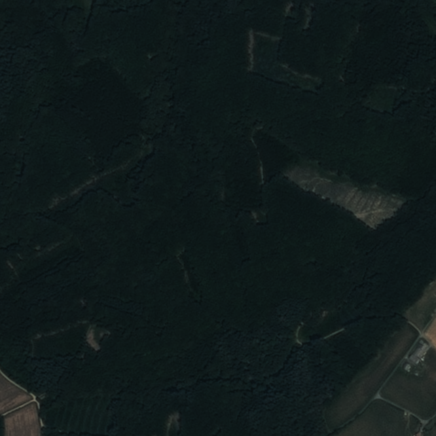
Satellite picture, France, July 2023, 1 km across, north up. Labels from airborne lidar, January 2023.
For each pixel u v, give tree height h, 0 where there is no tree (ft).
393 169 73
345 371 74
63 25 80
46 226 83
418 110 61
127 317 77
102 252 40
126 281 88
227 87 72
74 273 56
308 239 73
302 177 0
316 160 87
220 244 87
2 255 88
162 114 99
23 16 69
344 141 75
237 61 77
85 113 63
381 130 79
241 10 86
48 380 87
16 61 94
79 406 0
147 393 78
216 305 79
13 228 89
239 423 80
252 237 78
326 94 80
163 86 109
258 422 90
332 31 85
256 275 88
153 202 86
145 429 72
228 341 89
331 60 86
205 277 76
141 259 73
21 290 38
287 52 85
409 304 83
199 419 80
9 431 0
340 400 0
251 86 75
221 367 68
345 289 85
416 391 0
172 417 70
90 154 57
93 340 54
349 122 57
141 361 82
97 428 0
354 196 0
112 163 79
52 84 74
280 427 87
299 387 97
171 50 86
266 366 61
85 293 49
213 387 77
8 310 33
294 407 96
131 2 44
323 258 86
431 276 73
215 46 55
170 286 77
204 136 58
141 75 86
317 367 77
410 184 38
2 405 0
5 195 98
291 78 0
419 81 72
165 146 86
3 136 88
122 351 75
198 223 86
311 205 84
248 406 83
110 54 66
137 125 23
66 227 80
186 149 76
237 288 80
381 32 23
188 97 74
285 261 74
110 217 72
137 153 105
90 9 0
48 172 84
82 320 78
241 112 59
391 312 73
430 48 43
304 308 89
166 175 88
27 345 31
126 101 22
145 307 34
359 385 0
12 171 84
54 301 67
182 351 83
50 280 75
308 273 64
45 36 69
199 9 60
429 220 68
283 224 92
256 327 68
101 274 80
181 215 84
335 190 0
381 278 87
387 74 24
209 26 48
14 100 65
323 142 79
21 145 111
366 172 78
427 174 42
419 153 43
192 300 83
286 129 87
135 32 81
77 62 94
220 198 72
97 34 85
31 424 0
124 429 61
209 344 31
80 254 38
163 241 75
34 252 75
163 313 65
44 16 73
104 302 43
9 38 81
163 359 52
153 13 93
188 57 62
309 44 72
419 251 70
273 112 82
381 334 89
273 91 89
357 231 81
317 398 84
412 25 59
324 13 88
